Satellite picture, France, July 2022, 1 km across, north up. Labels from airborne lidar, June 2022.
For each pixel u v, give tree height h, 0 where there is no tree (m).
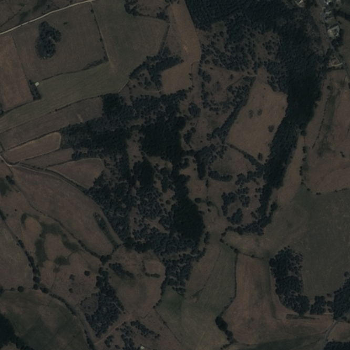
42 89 0
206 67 0
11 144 0
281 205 0
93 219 0
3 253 0
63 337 0
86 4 0
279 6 17
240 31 18
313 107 12
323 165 0
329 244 0
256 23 12
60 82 0
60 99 0
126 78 0
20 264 0
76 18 0
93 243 0
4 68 0
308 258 0
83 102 0
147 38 0
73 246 0
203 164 15
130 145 0
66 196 0
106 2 0
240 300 0
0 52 0
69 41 0
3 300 0
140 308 0
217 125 0
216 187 0
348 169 0
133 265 0
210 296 0
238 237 0
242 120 0
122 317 0
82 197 0
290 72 12
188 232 19
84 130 6
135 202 14
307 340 0
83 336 0
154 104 15
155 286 0
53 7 0
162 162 0
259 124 0
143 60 0
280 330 0
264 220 17
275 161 11
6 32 0
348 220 0
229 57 14
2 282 0
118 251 0
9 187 0
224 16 14
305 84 14
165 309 0
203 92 8
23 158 0
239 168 0
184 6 0
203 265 0
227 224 0
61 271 0
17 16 0
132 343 11
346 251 0
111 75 0
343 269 0
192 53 0
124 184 9
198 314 0
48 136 0
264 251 0
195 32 0
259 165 16
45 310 0
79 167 0
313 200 0
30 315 0
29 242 0
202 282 0
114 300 17
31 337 0
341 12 17
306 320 0
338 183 0
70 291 11
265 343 0
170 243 13
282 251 11
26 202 0
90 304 0
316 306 18
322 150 0
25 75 0
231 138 0
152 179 17
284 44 10
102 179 7
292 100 14
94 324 15
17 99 0
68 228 0
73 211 0
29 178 0
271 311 0
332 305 16
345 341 0
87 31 0
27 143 0
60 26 0
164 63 19
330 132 0
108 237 0
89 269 0
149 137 14
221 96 0
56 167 0
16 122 0
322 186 0
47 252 0
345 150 0
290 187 0
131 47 0
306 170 0
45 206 0
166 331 0
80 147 11
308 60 16
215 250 0
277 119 0
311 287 0
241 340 0
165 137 20
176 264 12
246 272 0
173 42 0
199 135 0
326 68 9
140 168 11
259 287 0
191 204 16
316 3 9
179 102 11
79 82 0
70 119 0
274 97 0
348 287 8
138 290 0
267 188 13
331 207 0
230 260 0
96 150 11
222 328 18
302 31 12
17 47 0
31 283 0
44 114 0
